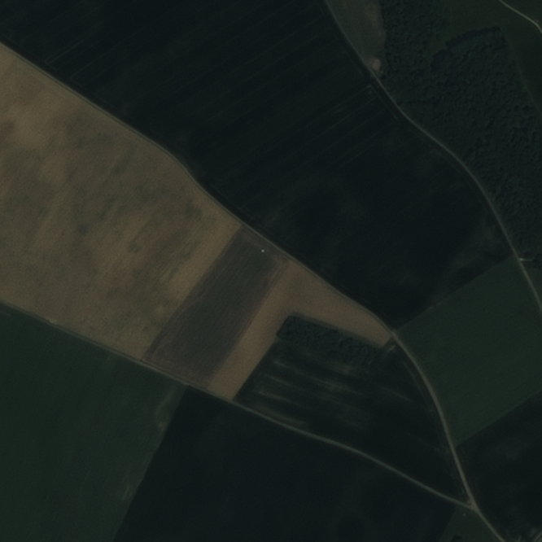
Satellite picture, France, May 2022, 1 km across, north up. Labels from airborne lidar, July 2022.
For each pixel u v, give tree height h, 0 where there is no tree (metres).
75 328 0
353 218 0
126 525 0
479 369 0
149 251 0
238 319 0
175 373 0
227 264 0
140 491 0
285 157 0
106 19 0
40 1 0
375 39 0
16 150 0
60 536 0
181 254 0
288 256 0
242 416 0
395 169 0
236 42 0
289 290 0
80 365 0
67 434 0
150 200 0
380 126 0
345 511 0
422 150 0
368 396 0
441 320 0
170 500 0
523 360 0
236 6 0
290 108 0
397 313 0
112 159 0
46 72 0
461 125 17
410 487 0
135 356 0
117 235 0
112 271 0
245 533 0
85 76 0
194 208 0
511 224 7
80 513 0
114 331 0
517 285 0
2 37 0
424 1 25
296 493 0
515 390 0
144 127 0
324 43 0
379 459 0
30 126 0
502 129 19
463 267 0
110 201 0
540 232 14
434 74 28
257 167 0
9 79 0
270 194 0
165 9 0
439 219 0
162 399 0
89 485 0
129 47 0
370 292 0
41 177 0
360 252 0
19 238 0
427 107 18
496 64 23
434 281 0
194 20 0
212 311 0
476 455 0
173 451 0
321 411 0
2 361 0
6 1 0
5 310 0
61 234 0
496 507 0
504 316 0
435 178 0
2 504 0
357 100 0
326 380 0
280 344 0
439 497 0
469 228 0
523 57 0
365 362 11
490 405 0
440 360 0
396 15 19
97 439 0
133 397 0
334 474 0
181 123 0
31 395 0
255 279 0
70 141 0
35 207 0
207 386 0
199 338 0
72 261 0
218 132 0
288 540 0
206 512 0
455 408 0
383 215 0
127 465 0
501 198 11
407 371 0
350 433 0
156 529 0
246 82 0
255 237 0
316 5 0
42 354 0
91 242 0
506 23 0
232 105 0
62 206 0
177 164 0
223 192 0
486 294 0
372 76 0
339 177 0
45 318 0
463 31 0
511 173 16
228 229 0
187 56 0
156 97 0
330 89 0
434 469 0
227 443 0
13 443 0
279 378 0
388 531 0
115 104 0
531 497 0
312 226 0
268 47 0
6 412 0
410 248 0
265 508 0
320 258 0
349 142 0
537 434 0
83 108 0
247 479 0
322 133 0
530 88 0
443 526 0
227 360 0
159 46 0
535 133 21
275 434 0
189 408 0
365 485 0
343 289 0
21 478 0
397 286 0
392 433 0
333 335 12
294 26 0
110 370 0
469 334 0
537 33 0
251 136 0
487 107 17
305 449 0
